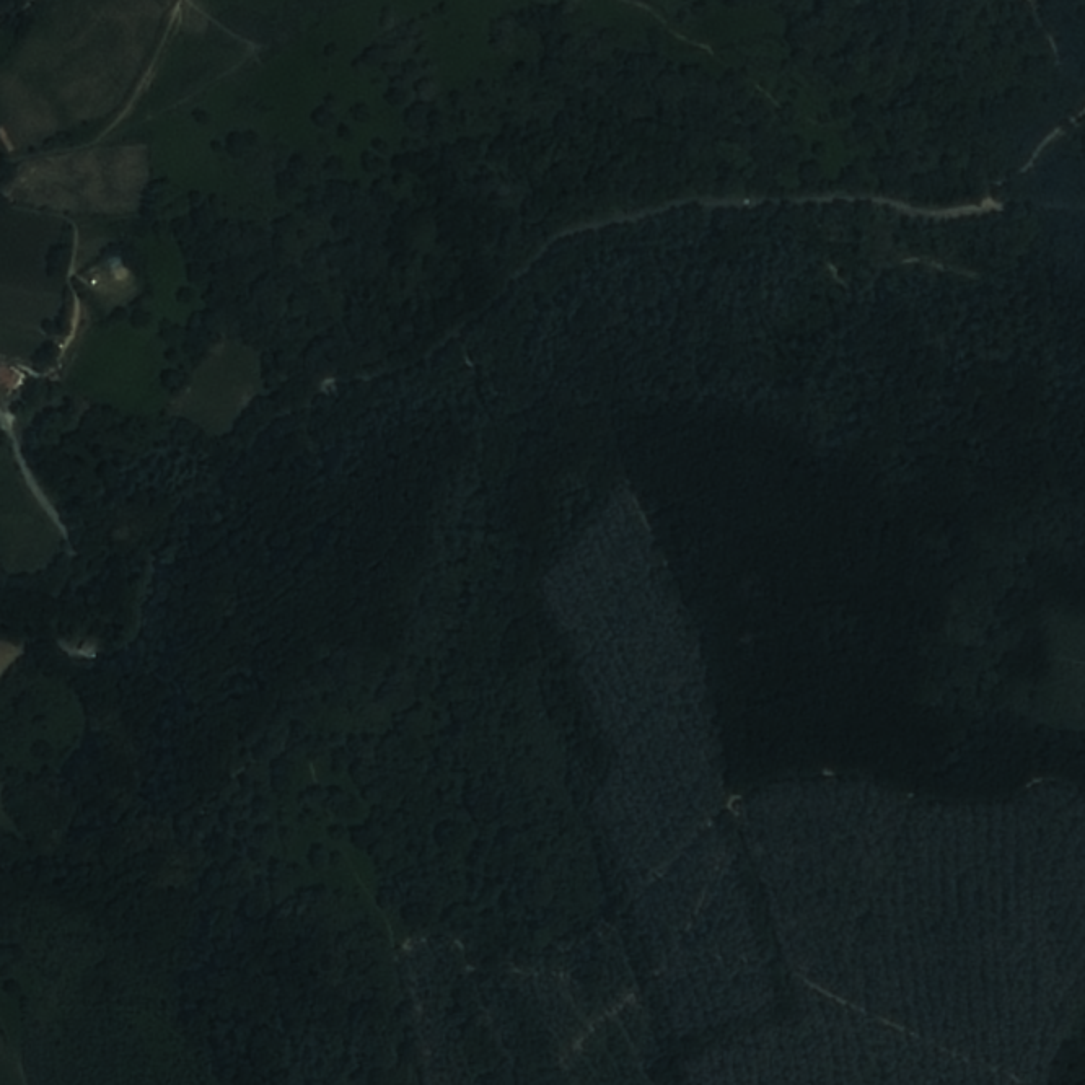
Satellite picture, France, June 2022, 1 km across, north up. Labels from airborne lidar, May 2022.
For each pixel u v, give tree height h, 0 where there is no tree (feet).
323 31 0
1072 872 51
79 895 73
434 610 86
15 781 47
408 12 0
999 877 60
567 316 59
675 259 79
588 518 47
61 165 0
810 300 83
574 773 49
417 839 65
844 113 47
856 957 59
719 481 79
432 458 82
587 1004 69
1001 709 26
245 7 0
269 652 98
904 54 57
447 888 67
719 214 27
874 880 58
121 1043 22
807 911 54
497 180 62
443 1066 67
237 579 111
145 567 112
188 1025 88
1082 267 73
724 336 58
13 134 0
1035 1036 57
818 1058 67
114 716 101
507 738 50
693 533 58
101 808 101
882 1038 57
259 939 117
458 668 77
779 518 80
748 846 53
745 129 68
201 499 72
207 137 0
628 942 63
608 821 66
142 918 50
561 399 64
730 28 0
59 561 51
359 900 19
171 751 57
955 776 74
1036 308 95
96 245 0
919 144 72
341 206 74
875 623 49
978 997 59
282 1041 47
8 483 0
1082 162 62
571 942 40
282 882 50
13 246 0
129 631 107
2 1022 0
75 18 0
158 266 0
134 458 30
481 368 51
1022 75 27
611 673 64
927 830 49
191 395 0
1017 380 86
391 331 59
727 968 54
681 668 60
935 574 73
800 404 91
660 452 75
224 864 34
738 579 65
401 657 49
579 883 18
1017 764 72
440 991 82
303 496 106
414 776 61
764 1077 52
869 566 70
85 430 26
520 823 27
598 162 54
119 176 0
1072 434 92
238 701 108
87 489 76
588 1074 48
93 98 0
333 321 53
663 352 53
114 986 31
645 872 78
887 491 87
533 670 31
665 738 73
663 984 67
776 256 90
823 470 57
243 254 47
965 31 58
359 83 0
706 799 73
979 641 72
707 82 56
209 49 0
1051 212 46
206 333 81
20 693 32
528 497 74
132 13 0
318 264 50
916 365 89
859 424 66
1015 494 80
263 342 63
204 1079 25
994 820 64
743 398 78
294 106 0
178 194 43
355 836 58
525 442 66
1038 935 57
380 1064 51
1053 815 44
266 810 49
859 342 89
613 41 43
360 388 63
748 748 61
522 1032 70
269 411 66
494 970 80
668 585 70
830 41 77
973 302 78
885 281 68
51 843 61
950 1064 54
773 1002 75
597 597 74
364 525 93
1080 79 55
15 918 57
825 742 66
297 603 110
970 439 85
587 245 79
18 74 0
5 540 0
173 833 71
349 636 85
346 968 49
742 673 70
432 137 54
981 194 57
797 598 49
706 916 59
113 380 0
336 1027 51
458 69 0
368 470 88
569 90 30
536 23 72
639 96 77
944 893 44
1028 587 65
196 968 54
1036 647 56
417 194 34
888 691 58
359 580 82
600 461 30
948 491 83
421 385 75
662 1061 67
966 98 21
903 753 79
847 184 53
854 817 67
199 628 104
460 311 53
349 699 51
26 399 47
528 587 57
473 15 0
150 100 0
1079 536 59
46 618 115
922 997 53
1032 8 55
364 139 0
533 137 40
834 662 36
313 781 0
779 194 60
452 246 24
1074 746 47
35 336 0
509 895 91
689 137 74
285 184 63
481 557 98
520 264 52
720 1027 66
